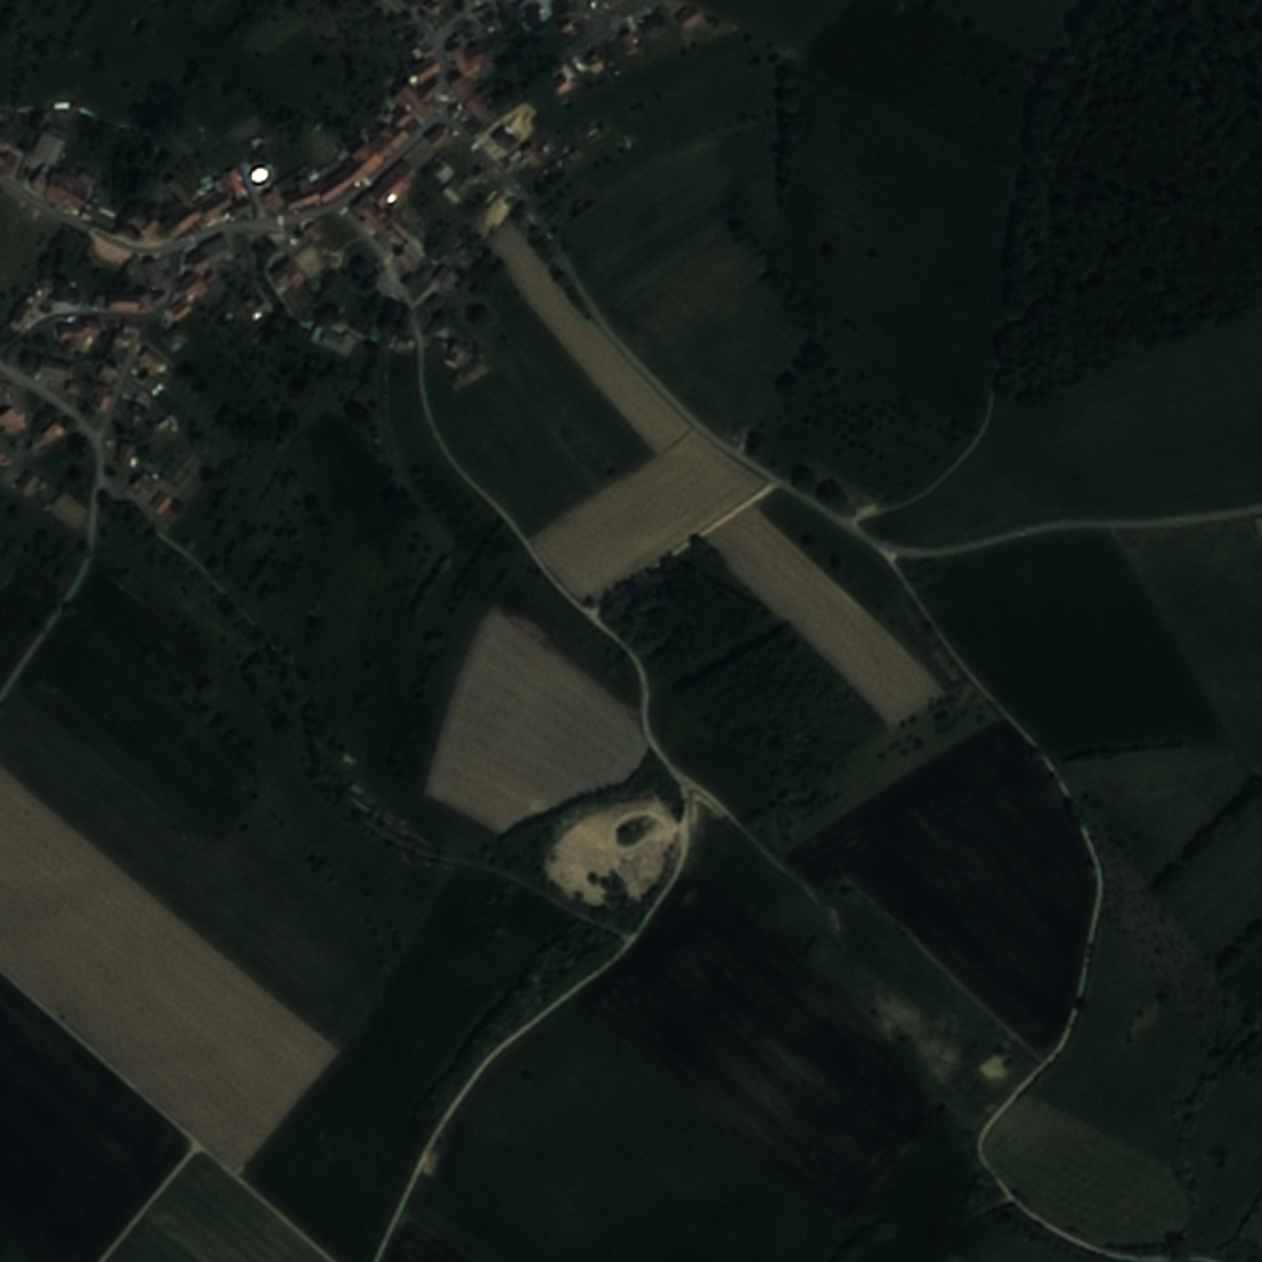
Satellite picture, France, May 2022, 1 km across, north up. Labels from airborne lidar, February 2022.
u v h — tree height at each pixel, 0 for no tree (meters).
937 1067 0
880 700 0
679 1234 0
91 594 0
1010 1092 0
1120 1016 0
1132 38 14
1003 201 0
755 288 0
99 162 0
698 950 0
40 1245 0
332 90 0
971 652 0
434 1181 0
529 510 0
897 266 0
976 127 0
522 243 0
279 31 0
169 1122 0
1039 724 0
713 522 0
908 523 0
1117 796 0
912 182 0
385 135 0
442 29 0
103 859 0
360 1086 0
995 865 0
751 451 13
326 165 0
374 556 0
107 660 0
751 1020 0
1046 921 0
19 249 0
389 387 0
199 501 0
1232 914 0
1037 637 0
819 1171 0
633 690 0
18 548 9
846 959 0
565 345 0
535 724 0
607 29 0
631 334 0
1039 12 0
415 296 0
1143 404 0
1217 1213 0
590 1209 0
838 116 0
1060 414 0
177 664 0
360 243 0
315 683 10
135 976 0
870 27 0
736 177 0
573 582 0
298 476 9
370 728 0
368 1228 0
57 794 0
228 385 0
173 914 0
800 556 0
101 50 0
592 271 0
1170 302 27
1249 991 0
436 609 0
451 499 0
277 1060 0
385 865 0
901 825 0
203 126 0
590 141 0
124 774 0
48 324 0
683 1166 0
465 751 0
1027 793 0
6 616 0
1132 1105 0
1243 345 0
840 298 0
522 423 0
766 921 0
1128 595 0
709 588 12
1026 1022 0
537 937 0
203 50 0
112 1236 0
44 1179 0
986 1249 0
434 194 0
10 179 0
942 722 9
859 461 0
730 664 10
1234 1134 0
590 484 0
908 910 0
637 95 0
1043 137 14
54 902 0
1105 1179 0
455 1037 0
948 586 0
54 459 0
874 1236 7
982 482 0
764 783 0
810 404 0
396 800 0
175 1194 0
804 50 0
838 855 0
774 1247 0
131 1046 0
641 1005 0
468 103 0
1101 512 0
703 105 0
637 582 10
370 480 0
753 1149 0
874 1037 0
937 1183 0
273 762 0
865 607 0
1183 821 0
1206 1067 0
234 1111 0
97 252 0
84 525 0
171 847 0
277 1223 0
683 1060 0
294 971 0
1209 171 19
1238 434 0
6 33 16
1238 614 0
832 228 0
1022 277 20
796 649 7
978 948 0
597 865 0
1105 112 13
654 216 0
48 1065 0
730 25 0
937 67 0
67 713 0
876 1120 0
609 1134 0
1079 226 9
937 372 0
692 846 0
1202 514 0
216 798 0
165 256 0
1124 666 0
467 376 0
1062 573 0
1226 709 0
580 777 0
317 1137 0
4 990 0
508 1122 0
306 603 0
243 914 0
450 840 0
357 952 0
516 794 0
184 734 0
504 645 0
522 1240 0
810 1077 0
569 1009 0
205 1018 0
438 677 0
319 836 0
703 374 0
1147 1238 0
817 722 6
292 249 0
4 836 0
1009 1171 0
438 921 0
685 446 0
